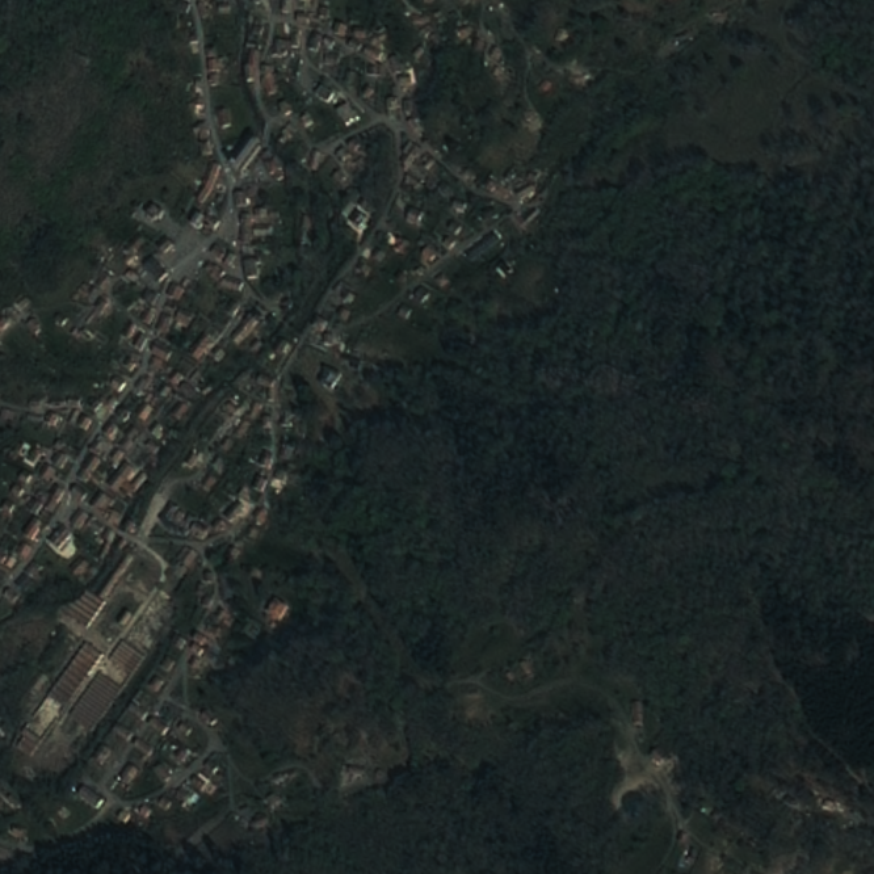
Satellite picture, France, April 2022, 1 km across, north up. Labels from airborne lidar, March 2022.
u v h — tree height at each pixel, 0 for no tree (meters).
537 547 7
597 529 17
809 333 18
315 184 14
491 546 18
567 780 26
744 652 22
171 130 14
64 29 16
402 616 17
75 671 0
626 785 0
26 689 16
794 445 10
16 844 0
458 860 22
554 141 9
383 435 32
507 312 0
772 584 13
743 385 24
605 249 11
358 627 28
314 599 23
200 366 6
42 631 0
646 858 0
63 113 13
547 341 18
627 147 0
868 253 14
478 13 0
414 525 21
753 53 28
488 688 0
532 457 17
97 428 0
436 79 11
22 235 19
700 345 41
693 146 0
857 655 19
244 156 0
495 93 0
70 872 13
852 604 11
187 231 0
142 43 23
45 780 10
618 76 8
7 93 11
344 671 25
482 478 18
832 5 23
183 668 0
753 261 23
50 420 0
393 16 6
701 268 21
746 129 0
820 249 18
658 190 16
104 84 16
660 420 27
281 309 7
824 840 23
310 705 18
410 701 19
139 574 0
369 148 9
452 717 20
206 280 0
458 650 10
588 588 27
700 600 20
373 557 24
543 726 23
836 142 19
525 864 28
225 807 0
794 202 18
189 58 0
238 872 14
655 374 24
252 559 0
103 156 11
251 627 0
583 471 23
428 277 0
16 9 12
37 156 10
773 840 21
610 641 22
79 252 23
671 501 24
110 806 0
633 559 19
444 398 17
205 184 0
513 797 26
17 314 0
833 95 0
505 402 17
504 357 23
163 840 6
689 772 22
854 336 15
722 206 16
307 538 15
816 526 13
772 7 0
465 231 0
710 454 28
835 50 20
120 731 0
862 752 19
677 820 0
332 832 12
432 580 18
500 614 26
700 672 21
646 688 19
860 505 7
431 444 28
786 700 24
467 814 23
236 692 23
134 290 10
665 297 38
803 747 16
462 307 13
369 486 25
